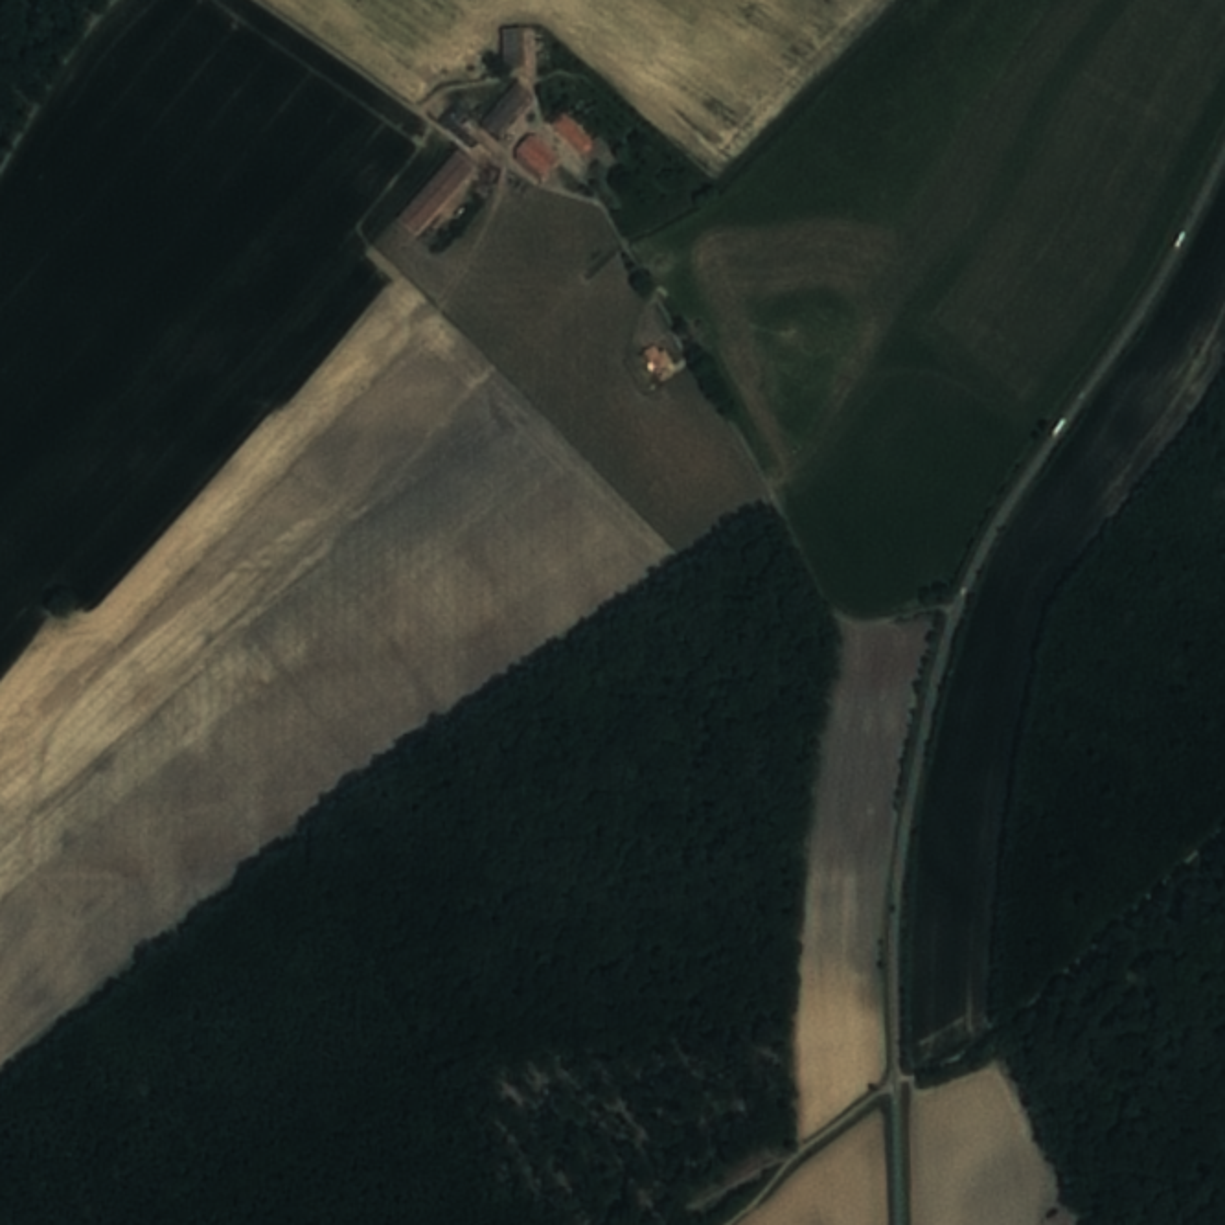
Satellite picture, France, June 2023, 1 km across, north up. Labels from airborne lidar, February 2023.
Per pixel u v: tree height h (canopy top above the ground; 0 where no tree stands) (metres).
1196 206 0
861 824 0
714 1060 29
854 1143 0
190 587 0
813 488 0
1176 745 21
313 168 0
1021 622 0
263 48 0
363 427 0
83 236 0
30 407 0
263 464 0
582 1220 26
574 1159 25
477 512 0
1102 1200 28
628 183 12
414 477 0
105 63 0
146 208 0
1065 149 0
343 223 0
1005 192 0
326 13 0
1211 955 24
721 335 0
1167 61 0
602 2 0
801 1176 0
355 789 21
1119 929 23
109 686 0
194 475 0
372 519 0
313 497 0
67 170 0
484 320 0
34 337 0
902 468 0
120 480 0
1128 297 0
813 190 0
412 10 0
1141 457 0
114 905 0
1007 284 0
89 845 0
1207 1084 29
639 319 0
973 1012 0
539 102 9
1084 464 0
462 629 0
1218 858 26
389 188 0
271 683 0
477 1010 28
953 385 0
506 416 0
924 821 0
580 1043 27
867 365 0
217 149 0
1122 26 0
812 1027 0
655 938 26
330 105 0
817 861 0
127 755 0
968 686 0
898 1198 0
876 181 0
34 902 0
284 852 17
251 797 0
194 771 0
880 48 0
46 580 0
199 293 0
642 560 0
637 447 0
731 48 0
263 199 0
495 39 0
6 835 0
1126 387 0
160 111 0
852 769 0
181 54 0
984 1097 0
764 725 23
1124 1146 28
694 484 0
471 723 24
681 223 0
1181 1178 31
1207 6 0
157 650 0
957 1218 0
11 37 27
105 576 0
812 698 23
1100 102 0
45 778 0
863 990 0
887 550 0
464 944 25
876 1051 0
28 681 0
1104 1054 30
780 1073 24
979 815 0
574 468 0
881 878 0
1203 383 0
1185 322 0
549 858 24
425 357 0
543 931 28
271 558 0
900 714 0
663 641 26
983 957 0
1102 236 0
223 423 0
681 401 0
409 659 0
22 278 0
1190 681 20
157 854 0
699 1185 26
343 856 24
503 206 0
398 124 0
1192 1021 28
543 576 0
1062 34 0
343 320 0
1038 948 18
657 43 0
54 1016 0
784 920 25
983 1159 0
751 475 0
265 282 0
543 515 0
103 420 0
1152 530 13
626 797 24
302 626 0
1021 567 0
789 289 0
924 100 0
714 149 0
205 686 0
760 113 0
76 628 0
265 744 0
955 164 0
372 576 0
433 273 0
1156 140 0
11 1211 24
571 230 0
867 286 0
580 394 0
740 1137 30
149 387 0
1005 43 0
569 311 0
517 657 0
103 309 0
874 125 0
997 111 0
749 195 0
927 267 0
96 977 0
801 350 0
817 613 23
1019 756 12
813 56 0
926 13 0
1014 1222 0
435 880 26
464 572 0
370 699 0
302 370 0
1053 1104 25
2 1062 0
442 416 0
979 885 0
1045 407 0
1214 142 0
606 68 0
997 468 0
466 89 0
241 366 0
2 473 0
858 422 0
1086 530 0
